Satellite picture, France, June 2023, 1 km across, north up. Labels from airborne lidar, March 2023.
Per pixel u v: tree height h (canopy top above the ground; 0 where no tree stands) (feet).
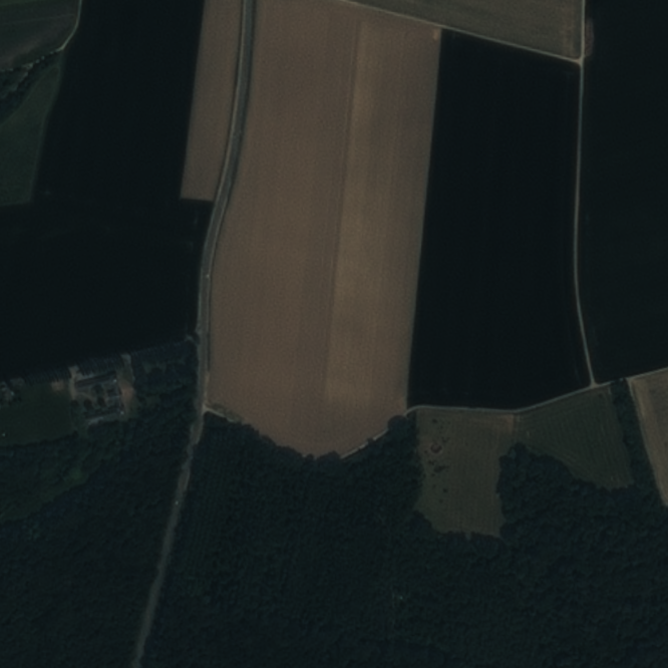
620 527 56
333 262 0
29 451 40
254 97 0
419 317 0
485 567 57
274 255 0
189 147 0
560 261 0
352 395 0
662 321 0
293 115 0
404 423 63
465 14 0
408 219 0
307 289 0
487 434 0
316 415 0
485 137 0
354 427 0
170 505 52
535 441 0
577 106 0
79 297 0
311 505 51
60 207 0
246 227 0
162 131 0
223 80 0
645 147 0
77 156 0
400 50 0
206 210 0
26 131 0
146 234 0
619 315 0
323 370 0
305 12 0
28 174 0
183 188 0
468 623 57
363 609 53
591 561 84
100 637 84
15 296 0
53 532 77
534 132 0
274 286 0
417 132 0
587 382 0
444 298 0
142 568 81
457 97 0
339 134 0
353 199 0
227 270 0
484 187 0
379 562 56
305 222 0
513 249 0
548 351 0
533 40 0
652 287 0
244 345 0
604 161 0
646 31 0
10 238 0
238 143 0
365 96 0
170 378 74
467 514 0
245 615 81
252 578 52
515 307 0
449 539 53
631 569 90
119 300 0
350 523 69
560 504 52
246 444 60
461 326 0
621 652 49
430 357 0
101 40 0
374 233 0
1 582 78
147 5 0
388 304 0
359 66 0
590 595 94
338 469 65
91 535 81
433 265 0
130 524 87
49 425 0
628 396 36
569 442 0
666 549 79
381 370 0
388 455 57
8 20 0
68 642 71
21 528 70
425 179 0
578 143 0
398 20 0
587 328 0
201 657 88
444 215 0
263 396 0
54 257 0
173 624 79
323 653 84
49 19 0
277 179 0
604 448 0
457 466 0
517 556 71
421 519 68
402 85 0
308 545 41
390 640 68
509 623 61
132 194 0
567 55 0
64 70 0
